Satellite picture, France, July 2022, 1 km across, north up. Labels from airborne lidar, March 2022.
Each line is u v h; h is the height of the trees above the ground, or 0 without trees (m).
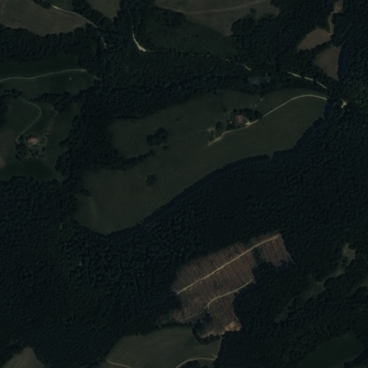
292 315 16
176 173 0
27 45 30
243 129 0
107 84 17
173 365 0
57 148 0
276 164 28
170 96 30
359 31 30
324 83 19
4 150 0
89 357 24
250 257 27
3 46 35
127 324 34
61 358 24
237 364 26
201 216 22
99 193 0
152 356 0
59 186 18
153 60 17
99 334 21
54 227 30
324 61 0
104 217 0
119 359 0
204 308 26
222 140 0
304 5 24
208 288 24
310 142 31
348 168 30
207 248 27
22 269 27
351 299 14
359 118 29
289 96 0
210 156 0
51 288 22
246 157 0
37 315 27
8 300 35
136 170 0
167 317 0
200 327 23
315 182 30
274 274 24
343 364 0
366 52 19
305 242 26
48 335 24
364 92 16
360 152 30
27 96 0
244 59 16
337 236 22
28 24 0
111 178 0
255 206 26
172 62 25
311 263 10
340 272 0
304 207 33
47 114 0
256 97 0
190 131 0
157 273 35
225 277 24
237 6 0
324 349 0
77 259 40
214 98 0
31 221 32
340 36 25
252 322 18
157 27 0
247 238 21
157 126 0
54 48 30
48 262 26
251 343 27
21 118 0
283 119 0
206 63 20
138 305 24
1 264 33
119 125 0
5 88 0
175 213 31
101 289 36
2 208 26
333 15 0
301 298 6
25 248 37
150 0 18
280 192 31
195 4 0
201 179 0
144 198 0
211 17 0
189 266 24
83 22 0
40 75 0
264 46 26
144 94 34
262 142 0
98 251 31
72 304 26
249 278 27
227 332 19
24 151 18
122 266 37
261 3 0
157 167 0
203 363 0
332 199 30
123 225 0
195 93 23
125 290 33
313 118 0
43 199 27
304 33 17
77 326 21
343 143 25
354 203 32
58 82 0
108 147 17
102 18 17
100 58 30
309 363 0
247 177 24
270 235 29
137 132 0
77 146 15
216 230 22
